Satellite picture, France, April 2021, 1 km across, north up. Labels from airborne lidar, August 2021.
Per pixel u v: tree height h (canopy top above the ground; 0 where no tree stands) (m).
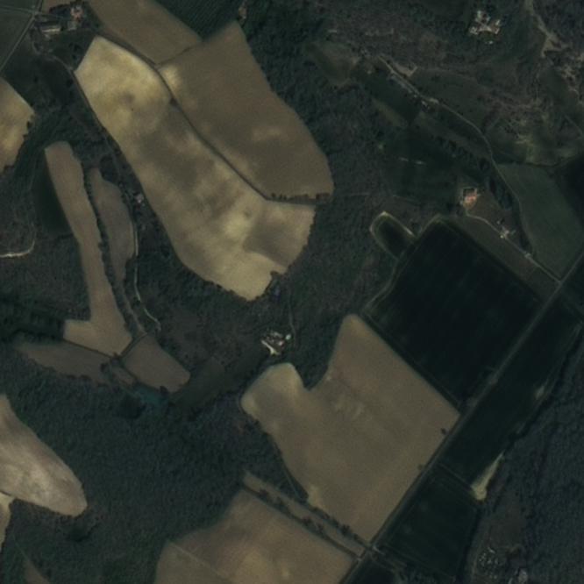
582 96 7
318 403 0
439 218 0
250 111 0
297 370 8
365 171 10
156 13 0
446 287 0
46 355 0
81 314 13
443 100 6
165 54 0
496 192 26
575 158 0
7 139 0
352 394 0
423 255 0
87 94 0
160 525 14
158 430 20
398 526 0
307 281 17
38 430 18
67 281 10
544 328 0
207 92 0
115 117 0
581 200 0
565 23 11
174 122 0
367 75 0
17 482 0
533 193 0
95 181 0
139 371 0
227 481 28
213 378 0
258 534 0
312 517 0
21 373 20
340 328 16
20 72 0
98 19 0
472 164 21
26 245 9
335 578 0
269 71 20
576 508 31
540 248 0
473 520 0
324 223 9
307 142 0
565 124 11
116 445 25
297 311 16
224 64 0
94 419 22
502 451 0
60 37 0
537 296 0
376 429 0
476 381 0
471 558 17
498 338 0
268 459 20
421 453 0
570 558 11
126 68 0
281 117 0
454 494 0
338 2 23
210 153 0
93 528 9
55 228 0
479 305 0
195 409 0
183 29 0
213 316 14
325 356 15
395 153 0
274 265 0
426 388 0
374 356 0
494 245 0
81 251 14
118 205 0
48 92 0
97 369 0
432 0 0
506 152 0
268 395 0
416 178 0
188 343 0
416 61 13
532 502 21
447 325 0
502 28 10
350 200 17
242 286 0
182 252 0
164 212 0
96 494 10
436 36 13
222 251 0
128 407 0
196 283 13
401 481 0
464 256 0
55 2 0
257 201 0
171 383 0
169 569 0
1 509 0
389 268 7
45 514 9
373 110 19
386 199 10
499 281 0
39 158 6
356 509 0
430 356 0
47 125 8
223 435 25
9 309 23
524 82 14
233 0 7
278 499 0
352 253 14
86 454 14
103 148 16
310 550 0
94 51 0
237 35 0
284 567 0
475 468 0
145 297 0
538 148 0
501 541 0
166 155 0
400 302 0
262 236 0
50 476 0
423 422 0
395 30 10
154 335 12
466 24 8
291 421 0
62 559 16
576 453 20
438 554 0
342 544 0
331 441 0
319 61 0
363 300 14
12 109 0
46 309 13
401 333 0
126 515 12
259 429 15
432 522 0
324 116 16
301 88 20
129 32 0
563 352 0
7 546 13
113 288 19
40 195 0
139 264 13
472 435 0
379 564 0
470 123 0
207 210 0
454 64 14
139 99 0
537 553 15
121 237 0
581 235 0
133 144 0
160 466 23
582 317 0
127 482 18
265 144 0
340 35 17
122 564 6
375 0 19
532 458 15
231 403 21
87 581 14
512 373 0
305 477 0
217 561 0
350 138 9
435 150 0
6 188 17
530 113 7
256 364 0
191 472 29
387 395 0
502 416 0
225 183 0
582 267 0
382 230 0
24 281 17
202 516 21
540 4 9
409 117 0
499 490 23
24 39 0
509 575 15
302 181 0
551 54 17
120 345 0
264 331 6
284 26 10
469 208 0
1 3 0
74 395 15
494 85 15
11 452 0
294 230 0
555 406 16
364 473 0
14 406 14
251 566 0
